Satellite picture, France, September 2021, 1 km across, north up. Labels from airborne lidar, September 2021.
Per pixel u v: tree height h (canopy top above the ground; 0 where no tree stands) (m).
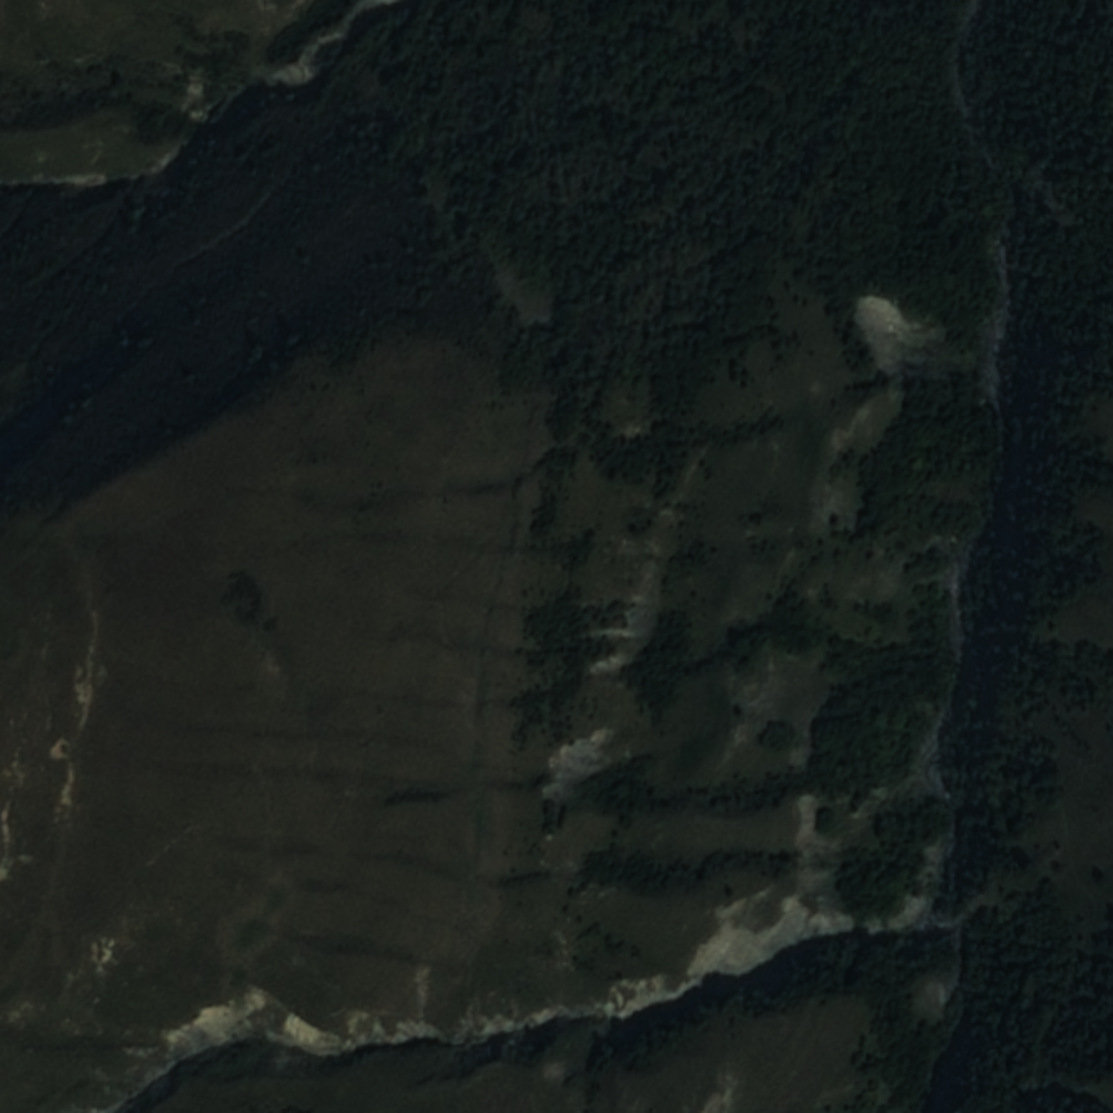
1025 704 11
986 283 18
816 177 11
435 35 6
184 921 0
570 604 9
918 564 10
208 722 0
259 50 0
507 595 0
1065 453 9
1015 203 6
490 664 0
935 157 16
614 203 9
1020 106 16
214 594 0
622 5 12
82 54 0
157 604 0
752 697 0
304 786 0
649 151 10
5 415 0
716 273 13
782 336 8
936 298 18
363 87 0
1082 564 7
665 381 14
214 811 0
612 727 0
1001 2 11
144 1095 0
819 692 0
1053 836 0
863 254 11
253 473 0
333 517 0
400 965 0
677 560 7
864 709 13
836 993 11
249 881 0
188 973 0
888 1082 14
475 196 9
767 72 15
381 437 0
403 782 0
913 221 15
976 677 18
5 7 0
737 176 12
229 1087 0
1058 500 13
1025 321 12
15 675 0
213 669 0
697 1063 0
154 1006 0
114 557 0
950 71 12
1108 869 0
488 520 0
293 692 0
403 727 0
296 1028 0
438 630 0
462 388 0
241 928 0
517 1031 0
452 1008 0
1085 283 16
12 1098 0
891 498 8
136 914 0
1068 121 13
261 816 0
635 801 12
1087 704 10
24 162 0
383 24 7
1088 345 10
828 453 0
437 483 0
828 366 0
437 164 8
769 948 0
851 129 9
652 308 8
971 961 14
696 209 12
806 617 8
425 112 8
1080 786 0
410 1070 0
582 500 0
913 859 11
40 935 0
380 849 0
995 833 14
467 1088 0
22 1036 0
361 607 0
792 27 14
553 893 0
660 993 0
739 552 0
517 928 0
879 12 24
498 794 0
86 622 0
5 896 0
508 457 0
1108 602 0
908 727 11
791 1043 0
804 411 0
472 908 0
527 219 9
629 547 0
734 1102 0
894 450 14
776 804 6
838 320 9
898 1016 15
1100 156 8
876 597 0
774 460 0
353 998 0
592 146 10
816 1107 0
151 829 0
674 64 13
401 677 0
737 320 13
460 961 0
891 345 0
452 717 0
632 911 0
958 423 12
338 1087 0
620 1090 0
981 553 6
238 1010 0
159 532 0
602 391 6
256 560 0
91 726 0
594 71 9
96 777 0
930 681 17
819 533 0
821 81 15
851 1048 0
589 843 0
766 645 12
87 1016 0
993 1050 11
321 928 0
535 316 0
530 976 0
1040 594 10
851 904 7
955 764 9
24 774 0
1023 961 11
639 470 13
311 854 0
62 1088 0
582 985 0
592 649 7
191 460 0
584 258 13
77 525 0
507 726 0
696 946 0
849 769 11
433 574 0
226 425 0
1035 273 13
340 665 0
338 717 0
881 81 9
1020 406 16
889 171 14
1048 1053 9
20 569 0
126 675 0
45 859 0
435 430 0
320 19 5
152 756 0
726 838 0
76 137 0
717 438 6
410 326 8
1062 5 12
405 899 0
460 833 0
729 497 0
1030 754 11
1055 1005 7
